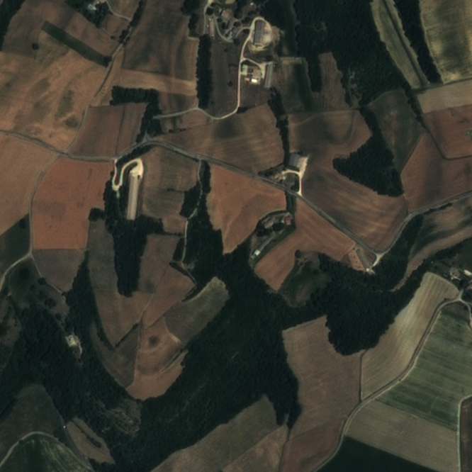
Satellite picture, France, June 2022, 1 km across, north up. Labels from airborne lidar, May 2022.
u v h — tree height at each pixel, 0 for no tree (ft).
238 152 0
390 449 0
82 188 0
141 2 31
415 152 0
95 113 0
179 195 0
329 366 0
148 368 0
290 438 0
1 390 60
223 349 36
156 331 0
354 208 0
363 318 41
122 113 0
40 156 0
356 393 0
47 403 0
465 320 0
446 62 0
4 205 0
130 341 0
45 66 0
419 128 0
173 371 0
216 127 0
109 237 0
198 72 32
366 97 34
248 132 0
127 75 0
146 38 0
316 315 41
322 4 38
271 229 24
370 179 37
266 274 0
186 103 0
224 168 0
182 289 0
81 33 0
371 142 31
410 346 0
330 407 0
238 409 51
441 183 0
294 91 0
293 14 0
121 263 50
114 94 35
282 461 0
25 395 0
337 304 60
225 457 0
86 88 0
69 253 0
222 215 0
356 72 22
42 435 0
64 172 0
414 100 35
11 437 0
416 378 0
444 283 0
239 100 0
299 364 0
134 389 0
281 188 0
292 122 0
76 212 0
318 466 0
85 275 31
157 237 0
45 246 0
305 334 0
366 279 32
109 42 0
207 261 23
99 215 32
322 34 29
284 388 65
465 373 0
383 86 32
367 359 0
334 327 73
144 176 0
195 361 46
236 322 32
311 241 0
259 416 0
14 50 0
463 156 0
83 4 21
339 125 0
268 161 0
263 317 31
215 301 0
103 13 49
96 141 0
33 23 0
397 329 0
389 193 37
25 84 0
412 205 0
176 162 0
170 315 0
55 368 44
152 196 0
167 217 0
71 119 0
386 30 0
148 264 0
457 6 0
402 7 57
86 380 22
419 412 0
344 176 36
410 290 35
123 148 0
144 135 20
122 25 0
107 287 0
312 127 0
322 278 0
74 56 0
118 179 0
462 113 0
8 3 26
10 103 0
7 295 29
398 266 26
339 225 0
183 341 0
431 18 0
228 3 0
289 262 0
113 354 0
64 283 0
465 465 0
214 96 0
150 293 0
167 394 33
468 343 0
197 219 28
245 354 41
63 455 0
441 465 0
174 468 0
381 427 0
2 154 0
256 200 0
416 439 0
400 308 39
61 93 0
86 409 38
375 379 0
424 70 47
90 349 42
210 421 36
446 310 0
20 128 0
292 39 0
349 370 0
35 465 0
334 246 0
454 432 0
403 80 27
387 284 27
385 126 0
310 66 37
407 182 0
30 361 59
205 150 0
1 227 0
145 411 36
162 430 31
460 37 0
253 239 0
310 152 0
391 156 46
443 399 0
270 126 0
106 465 50
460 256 0
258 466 0
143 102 35
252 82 0
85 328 42
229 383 42
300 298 0
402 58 0
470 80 0
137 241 36
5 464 0
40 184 0
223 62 0
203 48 31
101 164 0
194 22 37
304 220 0
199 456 0
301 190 0
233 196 0
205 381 27
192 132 0
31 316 31
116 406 39
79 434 0
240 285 32
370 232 0
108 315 0
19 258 0
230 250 0
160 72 0
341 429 0
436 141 0
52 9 0
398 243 25
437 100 0
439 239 0
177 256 31
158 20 0
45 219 0
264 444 0
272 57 26
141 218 30
